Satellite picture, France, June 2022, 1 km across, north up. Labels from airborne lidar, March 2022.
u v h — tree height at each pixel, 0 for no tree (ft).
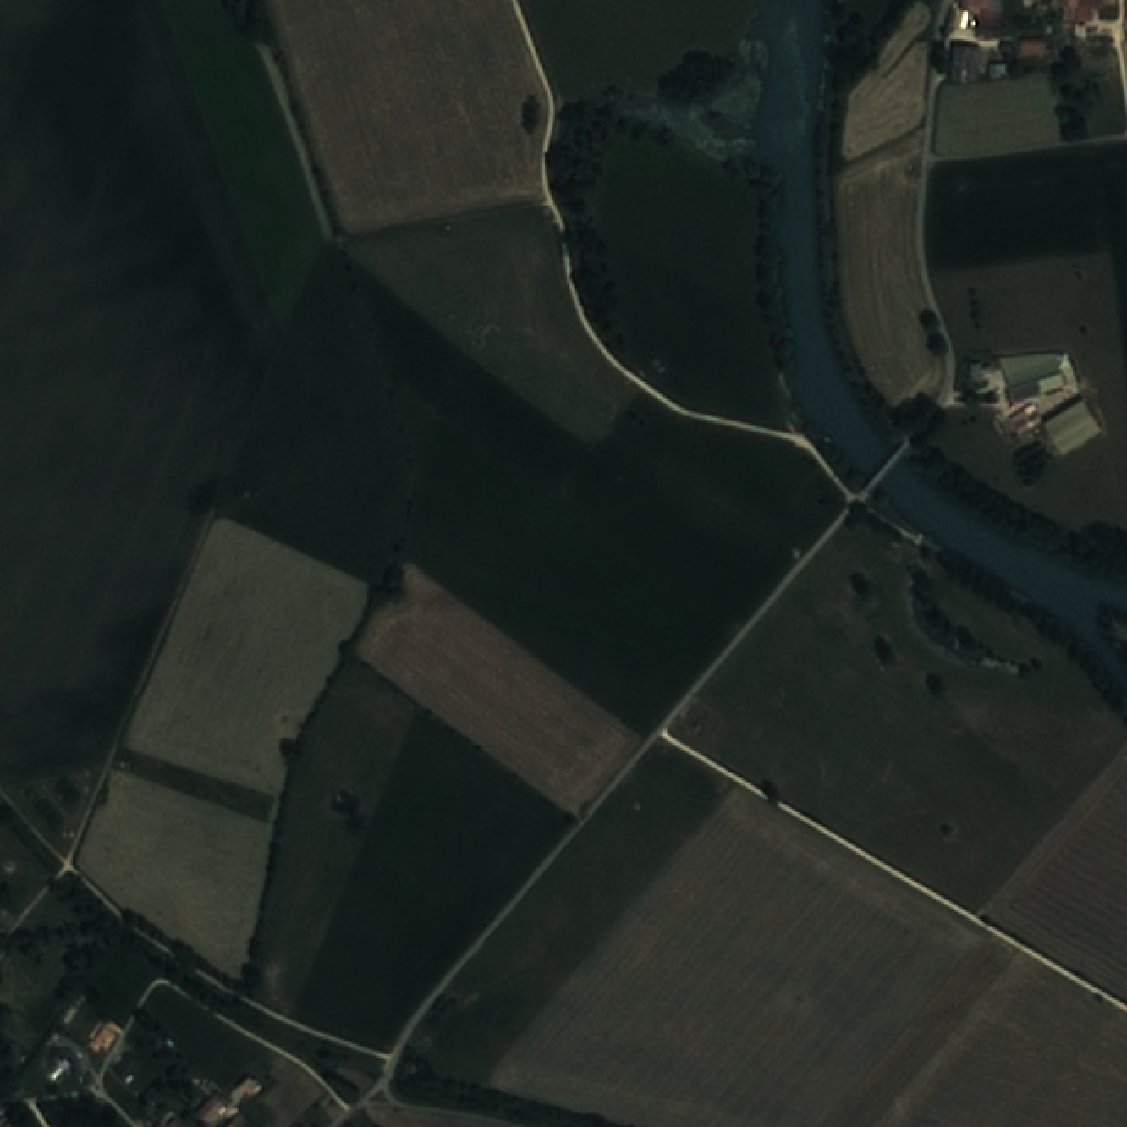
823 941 0
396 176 0
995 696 0
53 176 0
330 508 0
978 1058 0
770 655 0
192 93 0
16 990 0
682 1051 0
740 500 0
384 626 0
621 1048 0
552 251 0
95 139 0
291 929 0
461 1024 0
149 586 0
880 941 0
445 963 0
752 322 0
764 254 48
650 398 0
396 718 0
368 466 0
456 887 0
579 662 0
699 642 0
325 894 0
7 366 0
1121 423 0
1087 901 0
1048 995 0
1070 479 0
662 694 0
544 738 0
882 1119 0
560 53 0
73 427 0
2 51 0
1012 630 0
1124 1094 0
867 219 0
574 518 0
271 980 0
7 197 0
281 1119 0
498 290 0
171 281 0
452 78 0
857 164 0
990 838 0
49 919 0
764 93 0
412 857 0
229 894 0
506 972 0
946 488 45
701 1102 0
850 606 0
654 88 0
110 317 0
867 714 0
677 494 0
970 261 0
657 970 0
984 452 0
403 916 0
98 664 0
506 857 0
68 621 0
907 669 0
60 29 0
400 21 0
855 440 0
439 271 0
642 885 0
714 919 0
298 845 0
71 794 0
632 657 0
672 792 0
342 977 0
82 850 0
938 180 0
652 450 0
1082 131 43
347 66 0
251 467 0
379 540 0
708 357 0
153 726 0
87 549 0
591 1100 0
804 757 0
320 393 0
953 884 0
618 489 0
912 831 0
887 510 0
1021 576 0
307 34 0
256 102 0
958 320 0
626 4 0
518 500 0
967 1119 0
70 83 0
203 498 0
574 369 0
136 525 0
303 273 0
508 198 0
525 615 0
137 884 0
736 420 0
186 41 0
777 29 0
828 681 0
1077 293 0
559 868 0
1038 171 0
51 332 0
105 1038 0
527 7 0
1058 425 0
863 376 0
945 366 0
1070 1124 0
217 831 0
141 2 0
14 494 0
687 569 0
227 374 0
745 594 0
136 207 0
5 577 0
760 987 0
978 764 0
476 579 0
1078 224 0
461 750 0
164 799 0
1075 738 0
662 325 0
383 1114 0
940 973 0
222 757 0
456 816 0
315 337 0
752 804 0
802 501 0
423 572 0
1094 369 0
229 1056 0
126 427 0
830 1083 0
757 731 0
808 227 0
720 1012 0
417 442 0
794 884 0
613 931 0
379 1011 0
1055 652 0
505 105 0
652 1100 0
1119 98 0
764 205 39
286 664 0
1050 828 0
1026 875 0
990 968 0
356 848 0
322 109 0
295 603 0
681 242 0
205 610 0
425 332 0
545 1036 0
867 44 52
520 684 0
